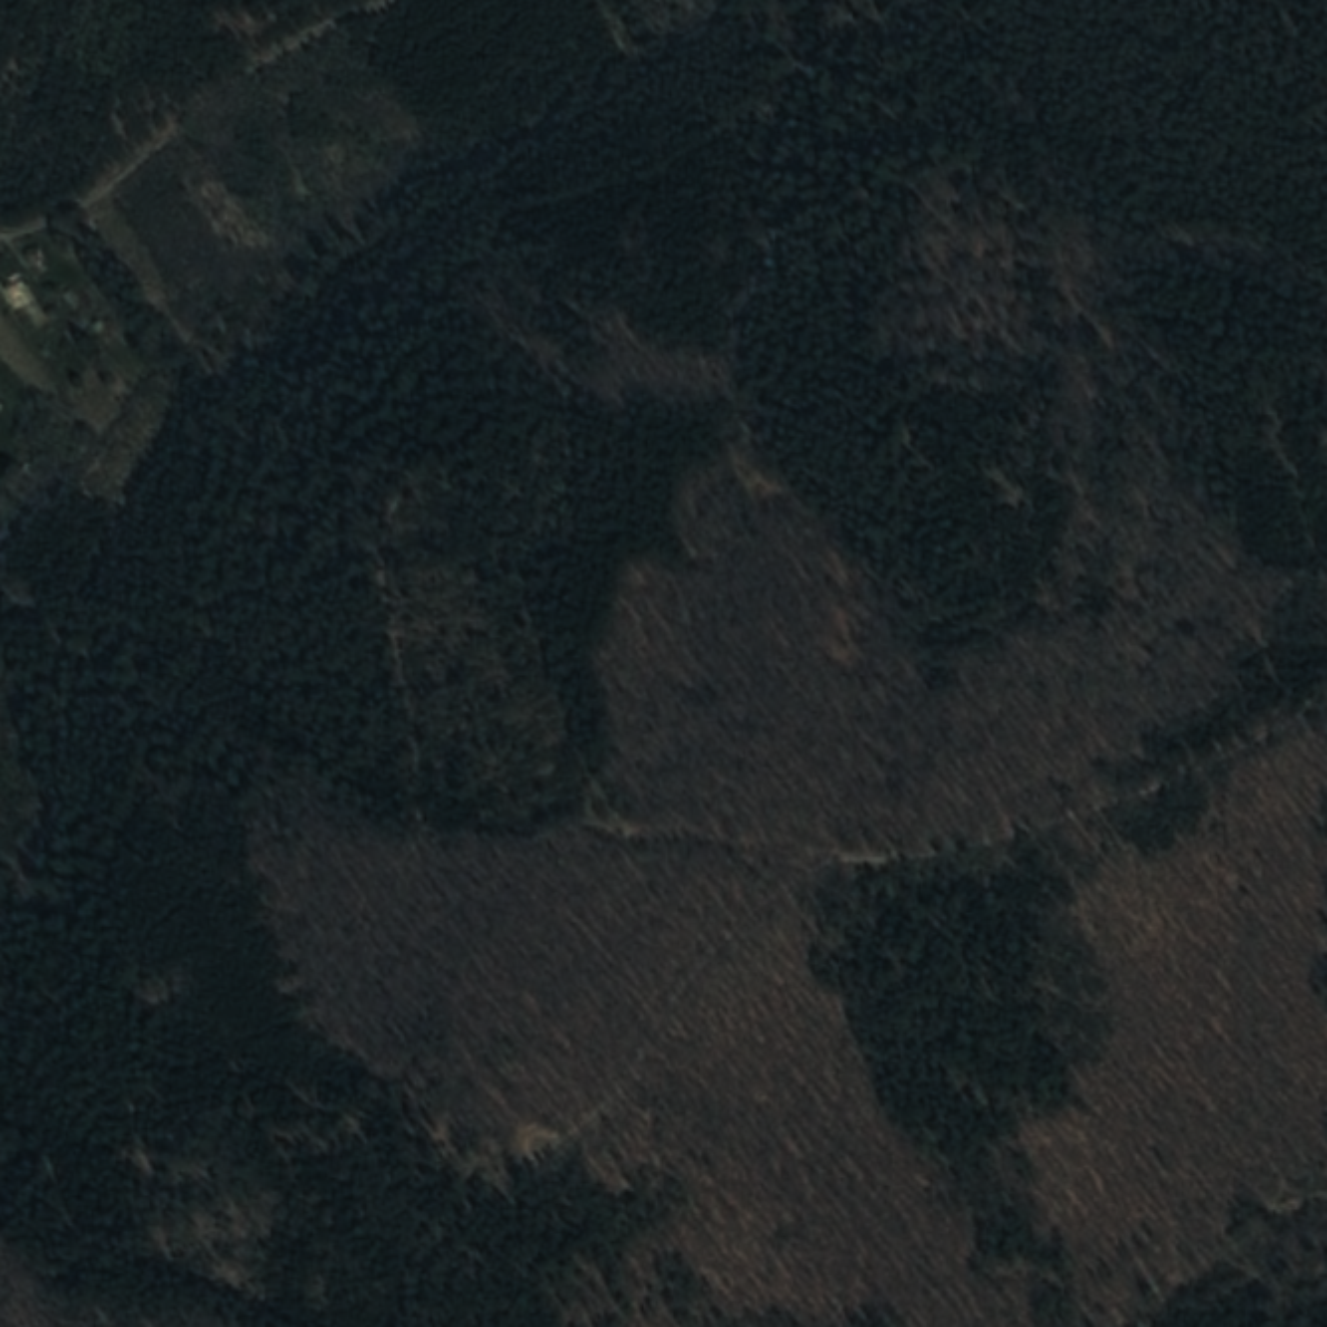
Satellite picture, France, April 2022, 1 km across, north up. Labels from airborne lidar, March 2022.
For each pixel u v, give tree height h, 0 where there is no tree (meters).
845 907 17
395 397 26
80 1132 18
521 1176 10
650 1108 20
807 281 27
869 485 27
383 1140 22
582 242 19
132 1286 31
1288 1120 26
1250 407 26
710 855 19
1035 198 38
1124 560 30
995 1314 26
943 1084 29
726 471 22
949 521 14
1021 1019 24
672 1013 20
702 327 24
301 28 18
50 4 13
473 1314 26
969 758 23
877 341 30
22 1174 19
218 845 11
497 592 26
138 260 0
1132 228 26
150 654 34
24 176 16
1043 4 29
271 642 31
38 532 22
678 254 18
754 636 28
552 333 24
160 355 16
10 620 23
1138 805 19
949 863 26
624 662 25
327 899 25
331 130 7
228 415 27
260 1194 18
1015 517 11
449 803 11
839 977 22
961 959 26
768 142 18
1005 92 25
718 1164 20
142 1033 11
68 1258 30
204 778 13
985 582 15
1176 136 30
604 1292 19
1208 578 28
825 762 27
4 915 12
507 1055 23
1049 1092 27
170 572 15
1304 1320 12
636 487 28
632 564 19
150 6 20
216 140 18
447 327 24
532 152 25
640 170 27
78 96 18
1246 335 31
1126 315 34
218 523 19
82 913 18
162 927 11
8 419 0
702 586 29
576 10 24
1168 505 29
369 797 8
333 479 18
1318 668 13
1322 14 26
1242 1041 29
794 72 39
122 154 18
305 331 8
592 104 22
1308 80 27
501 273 21
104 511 12
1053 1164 20
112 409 0
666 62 26
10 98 13
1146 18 25
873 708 32
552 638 21
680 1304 22
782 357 30
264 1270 21
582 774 8
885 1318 28
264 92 8
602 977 24
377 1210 22
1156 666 31
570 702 19
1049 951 29
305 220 11
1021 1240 25
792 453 33
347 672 27
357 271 11
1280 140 24
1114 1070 26
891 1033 29
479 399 23
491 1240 24
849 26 10
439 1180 22
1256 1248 23
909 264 23
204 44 23
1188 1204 26
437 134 14
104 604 24
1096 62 27
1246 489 8
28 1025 11
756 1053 28
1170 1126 28
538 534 9
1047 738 25
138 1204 24
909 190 8
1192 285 32
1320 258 28
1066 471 11
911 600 28
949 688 22
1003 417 12
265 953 13
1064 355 32
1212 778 20
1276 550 9
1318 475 10
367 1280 10
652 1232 22
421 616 27
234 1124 8
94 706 30
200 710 27
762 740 22
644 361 28
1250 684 9
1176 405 35
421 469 27
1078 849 24
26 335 0
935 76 25
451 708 27
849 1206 32
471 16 15
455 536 9
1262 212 31
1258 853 28
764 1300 21
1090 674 25
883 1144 24
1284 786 22
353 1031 24
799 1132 29
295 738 18
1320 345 10
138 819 10
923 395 28
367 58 12
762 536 28
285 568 7
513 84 15
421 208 20
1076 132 26
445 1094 26
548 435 22
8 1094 21
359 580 26
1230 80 27
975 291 29
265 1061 9
